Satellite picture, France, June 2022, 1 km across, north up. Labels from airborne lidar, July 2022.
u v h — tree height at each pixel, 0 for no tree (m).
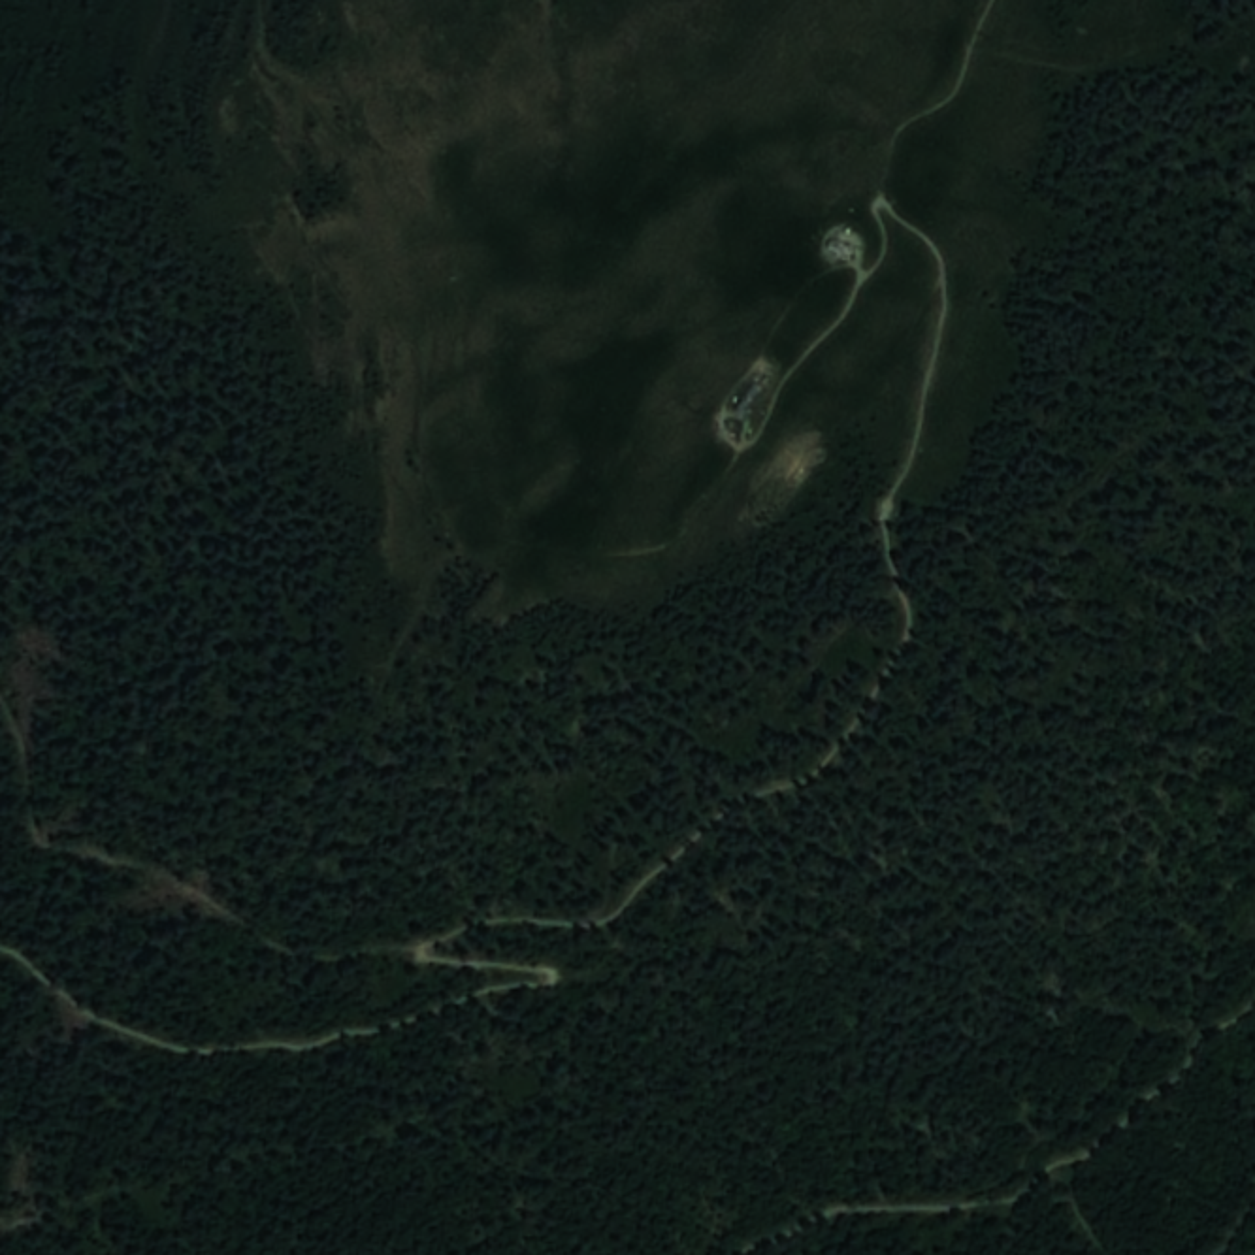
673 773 32
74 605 23
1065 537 24
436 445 0
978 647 7
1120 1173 17
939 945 8
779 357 0
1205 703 36
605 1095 6
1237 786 17
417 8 0
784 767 30
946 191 0
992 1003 25
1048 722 28
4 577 7
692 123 0
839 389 0
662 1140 31
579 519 0
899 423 0
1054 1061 17
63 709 10
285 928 8
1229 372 33
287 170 0
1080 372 25
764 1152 21
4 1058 16
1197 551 27
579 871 6
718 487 0
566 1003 10
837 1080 12
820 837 25
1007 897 30
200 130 9
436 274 0
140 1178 15
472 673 14
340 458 7
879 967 10
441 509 0
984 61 0
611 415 0
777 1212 16
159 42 0
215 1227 11
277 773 15
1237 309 28
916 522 20
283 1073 13
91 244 15
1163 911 10
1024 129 0
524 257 0
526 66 0
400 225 0
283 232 0
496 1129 12
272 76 0
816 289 0
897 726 8
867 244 0
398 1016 12
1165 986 21
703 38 0
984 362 0
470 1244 8
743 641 23
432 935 7
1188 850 22
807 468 0
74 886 33
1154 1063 18
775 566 20
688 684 0
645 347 0
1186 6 8
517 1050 7
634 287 0
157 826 22
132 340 26
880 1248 21
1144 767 9
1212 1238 25
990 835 32
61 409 27
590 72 0
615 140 0
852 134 0
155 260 18
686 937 12
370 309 0
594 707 29
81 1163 16
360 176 0
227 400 21
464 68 0
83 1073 26
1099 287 24
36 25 0
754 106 0
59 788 9
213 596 22
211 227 0
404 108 0
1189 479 9
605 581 0
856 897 28
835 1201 15
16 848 12
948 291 0
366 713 12
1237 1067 11
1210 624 29
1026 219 0
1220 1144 19
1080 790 15
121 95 6
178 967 30
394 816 13
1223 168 31
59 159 15
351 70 0
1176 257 8
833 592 22
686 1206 8
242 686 11
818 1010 26
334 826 10
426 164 0
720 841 15
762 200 0
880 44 0
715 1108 9
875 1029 30
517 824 11
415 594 0
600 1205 23
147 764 8
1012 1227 19
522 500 0
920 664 12
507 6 0
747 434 0
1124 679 8
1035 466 29
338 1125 16
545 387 0
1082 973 7
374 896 9
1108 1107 26
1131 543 34
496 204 0
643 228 0
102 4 0
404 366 0
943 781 27
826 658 0
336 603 15
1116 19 0
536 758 30
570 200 0
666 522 0
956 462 0
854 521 19
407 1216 14
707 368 0
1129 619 9
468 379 0
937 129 0
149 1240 14
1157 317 8
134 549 22
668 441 0
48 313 6
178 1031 11
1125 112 27
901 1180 11
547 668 23
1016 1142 13
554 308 0
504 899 12
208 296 10
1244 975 16
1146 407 14
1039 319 20
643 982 23
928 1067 23
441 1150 18
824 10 0
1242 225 8
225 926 9
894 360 0
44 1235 25
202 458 27
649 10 0
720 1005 13
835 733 31
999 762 28
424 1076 25
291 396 14
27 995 26
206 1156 11
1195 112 22
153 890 0
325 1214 19
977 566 7
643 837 6
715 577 6
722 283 0
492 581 7
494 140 0
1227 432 28
